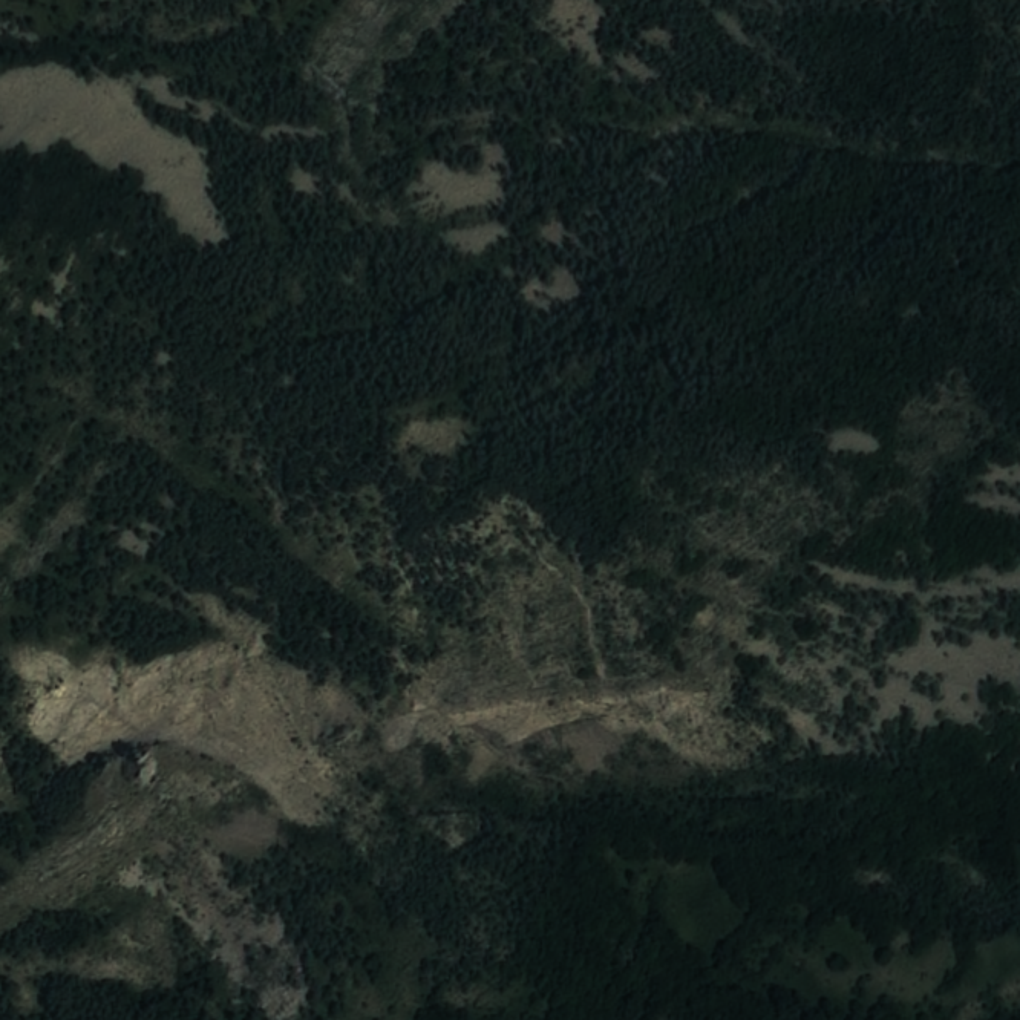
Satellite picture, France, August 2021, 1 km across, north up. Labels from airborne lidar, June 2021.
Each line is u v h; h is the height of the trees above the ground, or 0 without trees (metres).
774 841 24
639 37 26
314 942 25
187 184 0
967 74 18
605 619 6
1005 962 0
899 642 17
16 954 20
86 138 0
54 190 8
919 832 20
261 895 17
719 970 12
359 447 23
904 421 9
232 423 12
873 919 25
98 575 29
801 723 0
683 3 28
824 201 26
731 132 25
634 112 9
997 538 25
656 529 12
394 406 31
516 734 0
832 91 24
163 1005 23
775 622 7
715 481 7
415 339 28
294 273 7
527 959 15
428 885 17
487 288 29
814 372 15
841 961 15
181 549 21
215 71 11
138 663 16
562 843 14
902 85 16
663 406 9
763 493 8
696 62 26
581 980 25
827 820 9
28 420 6
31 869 0
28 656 0
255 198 22
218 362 26
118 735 0
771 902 24
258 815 0
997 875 12
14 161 8
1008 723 16
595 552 23
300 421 18
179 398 19
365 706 14
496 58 15
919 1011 8
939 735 14
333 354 23
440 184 0
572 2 0
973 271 24
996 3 15
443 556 11
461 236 0
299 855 15
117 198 6
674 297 32
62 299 13
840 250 23
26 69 0
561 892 25
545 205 19
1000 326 34
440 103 31
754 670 11
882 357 19
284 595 28
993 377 21
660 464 16
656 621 7
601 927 28
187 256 26
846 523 10
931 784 24
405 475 21
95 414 0
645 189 24
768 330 11
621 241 27
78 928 18
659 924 21
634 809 20
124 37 21
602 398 31
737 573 9
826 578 14
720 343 29
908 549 11
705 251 30
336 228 13
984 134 11
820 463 19
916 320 13
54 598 27
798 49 21
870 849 22
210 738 0
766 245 19
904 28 17
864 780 19
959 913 13
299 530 18
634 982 12
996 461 14
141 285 17
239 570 30
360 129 17
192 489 21
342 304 17
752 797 8
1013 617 10
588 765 0
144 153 0
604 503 19
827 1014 19
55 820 23
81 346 10
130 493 25
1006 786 21
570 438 32
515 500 11
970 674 0
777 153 24
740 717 9
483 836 6
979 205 31
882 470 9
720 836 24
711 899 0
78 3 0
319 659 24
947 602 10
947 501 14
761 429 12
